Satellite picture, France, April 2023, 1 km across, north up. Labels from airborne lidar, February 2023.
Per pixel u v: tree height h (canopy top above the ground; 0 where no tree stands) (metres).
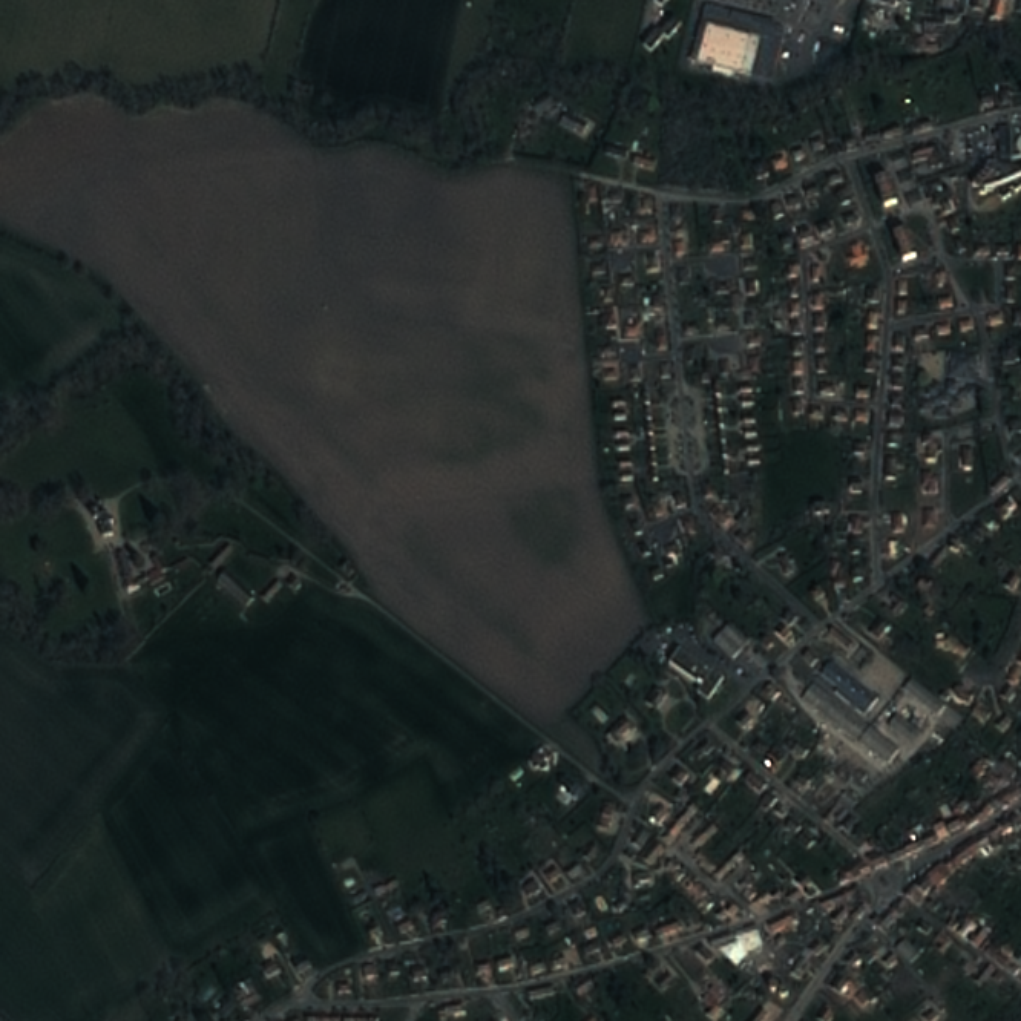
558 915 11
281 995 0
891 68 19
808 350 0
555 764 0
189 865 0
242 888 0
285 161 0
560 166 11
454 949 13
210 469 0
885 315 0
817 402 0
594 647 0
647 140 0
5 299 0
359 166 0
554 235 0
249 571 0
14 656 0
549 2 0
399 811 0
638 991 9
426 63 0
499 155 16
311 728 0
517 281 0
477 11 0
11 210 0
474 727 0
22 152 0
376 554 0
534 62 0
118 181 0
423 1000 0
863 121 0
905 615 0
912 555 0
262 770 0
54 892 0
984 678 0
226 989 8
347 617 0
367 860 0
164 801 0
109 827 0
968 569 0
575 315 0
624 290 0
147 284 0
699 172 8
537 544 0
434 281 0
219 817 0
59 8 0
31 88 22
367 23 0
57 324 0
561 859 6
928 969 0
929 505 0
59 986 0
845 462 6
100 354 15
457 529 0
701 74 0
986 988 6
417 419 0
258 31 0
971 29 12
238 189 0
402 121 12
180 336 0
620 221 0
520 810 11
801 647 0
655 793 0
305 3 0
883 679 0
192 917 0
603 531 0
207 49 0
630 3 0
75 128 0
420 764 0
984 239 6
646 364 0
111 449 0
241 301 0
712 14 0
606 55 0
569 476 0
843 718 0
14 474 0
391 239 0
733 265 0
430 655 0
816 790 0
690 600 0
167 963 0
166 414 0
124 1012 0
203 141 0
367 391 0
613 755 9
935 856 0
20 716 0
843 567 9
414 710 0
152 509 0
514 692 0
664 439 0
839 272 0
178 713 0
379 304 0
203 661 0
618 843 0
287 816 0
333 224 0
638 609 0
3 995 0
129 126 0
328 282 0
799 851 0
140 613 0
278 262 0
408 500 0
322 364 0
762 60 0
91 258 0
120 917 0
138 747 0
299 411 0
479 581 0
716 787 0
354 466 0
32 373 0
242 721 0
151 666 0
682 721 0
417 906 10
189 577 0
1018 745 0
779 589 0
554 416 0
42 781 0
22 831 0
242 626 0
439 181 0
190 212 0
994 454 0
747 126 16
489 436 0
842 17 0
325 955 0
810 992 0
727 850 0
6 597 23
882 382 0
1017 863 6
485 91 16
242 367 0
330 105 11
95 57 0
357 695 0
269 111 24
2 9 0
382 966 5
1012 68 17
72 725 0
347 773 0
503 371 0
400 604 0
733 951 0
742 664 0
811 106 21
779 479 0
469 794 0
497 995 0
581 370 0
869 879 0
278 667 0
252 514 0
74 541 0
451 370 0
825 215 0
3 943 0
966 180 0
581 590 0
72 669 14
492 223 0
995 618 0
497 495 0
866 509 0
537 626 0
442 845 0
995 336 8
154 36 0
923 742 0
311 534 18
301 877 0
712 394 8
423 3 0
